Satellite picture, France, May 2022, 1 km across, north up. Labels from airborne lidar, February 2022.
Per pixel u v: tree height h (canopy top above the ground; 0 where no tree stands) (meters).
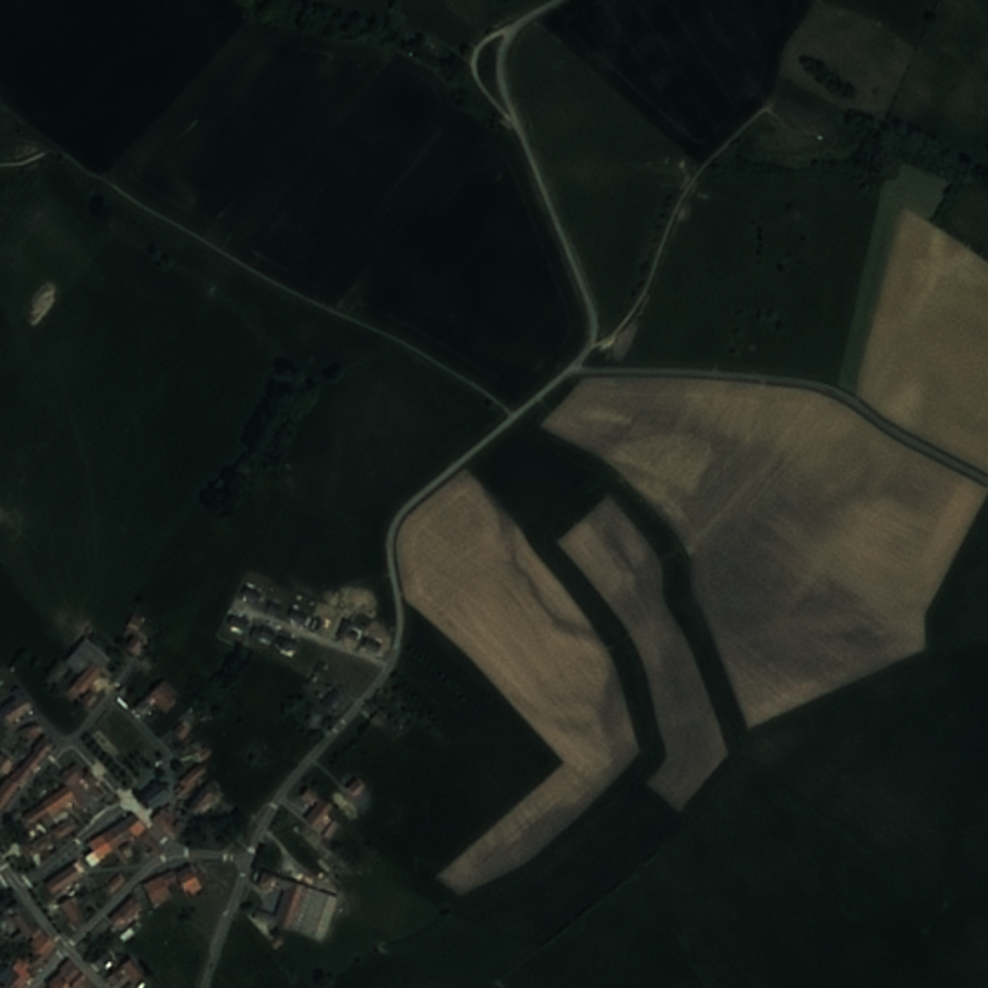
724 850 0
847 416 0
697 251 0
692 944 0
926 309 0
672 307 0
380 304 0
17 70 0
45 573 0
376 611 0
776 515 0
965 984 0
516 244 0
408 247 0
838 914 0
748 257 0
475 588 0
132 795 0
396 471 0
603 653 0
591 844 0
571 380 0
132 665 0
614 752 0
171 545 0
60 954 0
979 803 0
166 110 0
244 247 0
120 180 0
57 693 6
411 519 0
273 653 0
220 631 0
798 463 0
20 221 0
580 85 0
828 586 0
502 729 0
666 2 0
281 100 0
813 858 0
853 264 0
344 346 0
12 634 0
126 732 0
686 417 0
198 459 0
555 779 0
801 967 0
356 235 0
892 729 0
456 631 0
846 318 0
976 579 0
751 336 0
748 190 0
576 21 0
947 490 0
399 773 0
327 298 0
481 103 0
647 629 0
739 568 0
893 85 0
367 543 0
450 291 0
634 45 0
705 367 0
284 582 0
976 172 15
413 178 0
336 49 0
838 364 0
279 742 0
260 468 7
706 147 0
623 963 0
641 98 0
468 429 0
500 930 0
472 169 0
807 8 0
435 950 0
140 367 0
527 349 0
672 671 0
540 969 0
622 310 0
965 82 0
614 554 0
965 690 0
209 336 0
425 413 0
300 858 0
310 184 0
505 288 0
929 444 0
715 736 0
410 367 0
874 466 0
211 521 0
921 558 0
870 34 0
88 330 0
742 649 0
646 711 0
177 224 0
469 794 0
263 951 0
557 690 0
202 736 0
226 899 0
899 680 0
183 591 0
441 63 7
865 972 0
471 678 0
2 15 0
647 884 0
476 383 0
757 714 0
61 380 0
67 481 0
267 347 0
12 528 0
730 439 0
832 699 0
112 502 0
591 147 0
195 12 0
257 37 0
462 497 0
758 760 0
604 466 0
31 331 0
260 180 0
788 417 0
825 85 14
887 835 0
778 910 0
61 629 0
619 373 0
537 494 0
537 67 0
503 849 0
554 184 0
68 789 0
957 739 0
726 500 0
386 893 0
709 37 0
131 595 0
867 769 0
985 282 0
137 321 0
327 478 0
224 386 0
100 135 0
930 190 0
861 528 0
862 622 0
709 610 0
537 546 0
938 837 0
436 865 0
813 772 0
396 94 0
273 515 0
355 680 0
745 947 0
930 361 0
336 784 0
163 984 0
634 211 0
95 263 0
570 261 0
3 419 0
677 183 0
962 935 0
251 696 0
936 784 0
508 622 0
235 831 11
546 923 0
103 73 0
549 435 0
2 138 0
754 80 0
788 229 0
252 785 0
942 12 0
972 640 0
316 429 0
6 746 0
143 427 0
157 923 0
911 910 0
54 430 0
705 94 0
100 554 0
